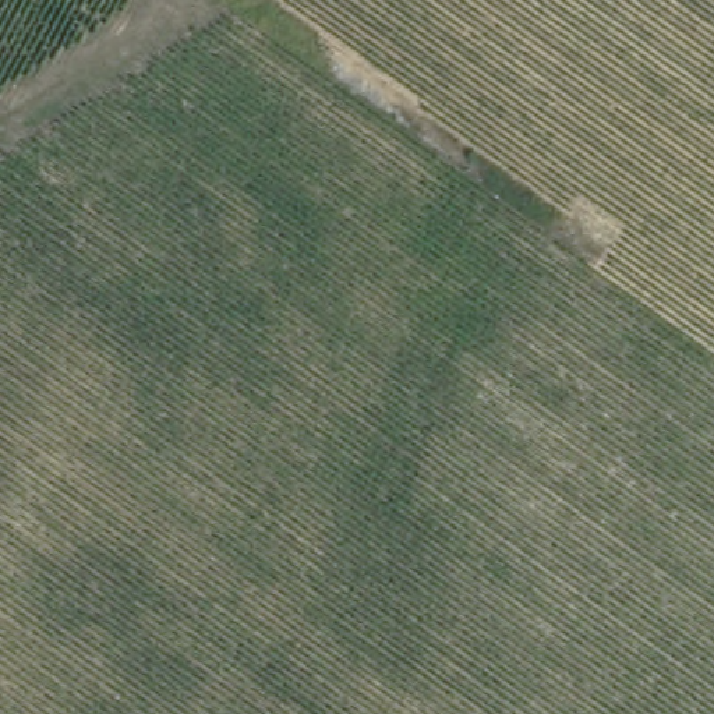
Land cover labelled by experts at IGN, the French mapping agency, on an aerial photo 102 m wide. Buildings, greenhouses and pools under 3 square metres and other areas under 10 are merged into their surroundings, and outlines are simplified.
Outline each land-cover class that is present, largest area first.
<instances>
[{"label":"vineyard","instance_id":"1","mask_svg":"<svg viewBox=\"0 0 714 714\"><path fill-rule=\"evenodd\" d=\"M0 714H714V0H0Z\"/></svg>","mask_w":714,"mask_h":714}]
</instances>
